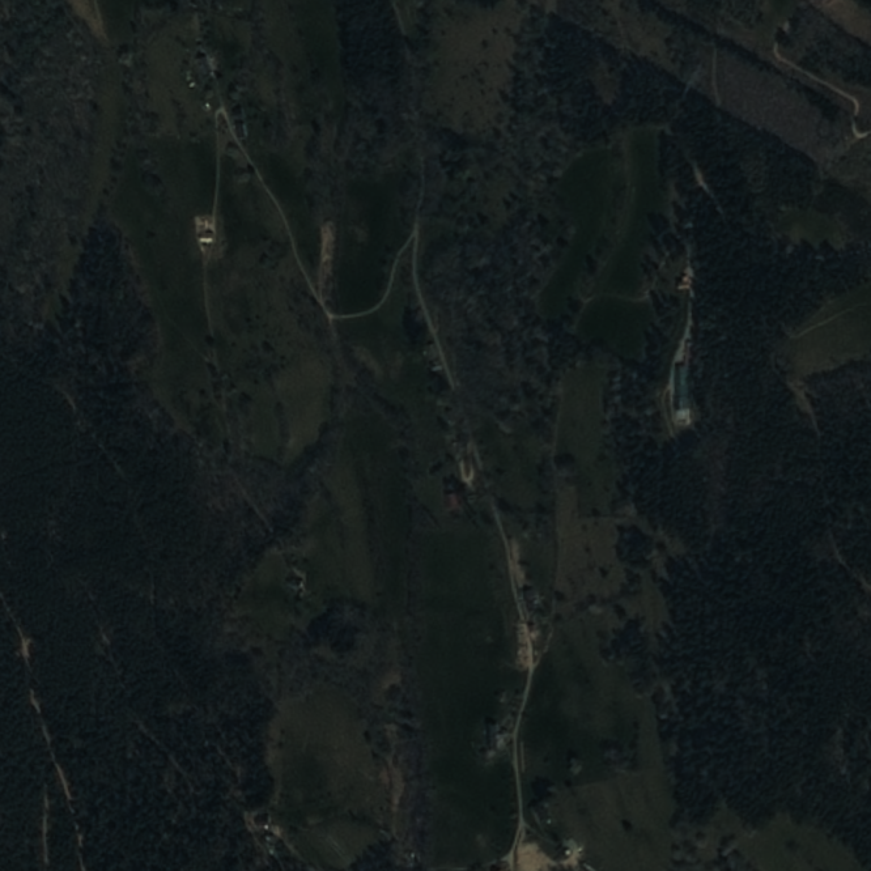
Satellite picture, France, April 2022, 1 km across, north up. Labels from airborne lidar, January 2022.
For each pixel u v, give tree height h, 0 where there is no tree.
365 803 0
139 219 0
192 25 0
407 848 0
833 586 22
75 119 21
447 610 0
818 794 26
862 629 20
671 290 0
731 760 20
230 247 0
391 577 0
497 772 0
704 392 19
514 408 13
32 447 15
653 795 0
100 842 36
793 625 31
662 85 21
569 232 12
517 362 14
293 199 0
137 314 31
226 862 7
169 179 0
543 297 0
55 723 23
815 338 0
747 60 14
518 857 0
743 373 17
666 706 12
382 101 27
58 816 10
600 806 0
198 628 17
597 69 21
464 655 0
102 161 0
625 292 0
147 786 11
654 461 20
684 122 9
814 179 21
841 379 15
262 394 0
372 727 13
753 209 20
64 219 21
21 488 16
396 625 0
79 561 17
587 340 0
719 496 22
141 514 16
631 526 0
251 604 0
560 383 11
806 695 20
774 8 0
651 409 12
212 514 21
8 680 23
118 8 0
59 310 0
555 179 17
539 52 12
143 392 28
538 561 0
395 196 0
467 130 0
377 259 0
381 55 27
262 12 14
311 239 0
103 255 32
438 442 0
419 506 15
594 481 0
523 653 0
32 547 12
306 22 0
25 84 9
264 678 13
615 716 0
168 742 14
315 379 0
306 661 23
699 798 23
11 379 13
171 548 17
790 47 17
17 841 16
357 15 25
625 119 18
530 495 0
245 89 9
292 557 6
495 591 0
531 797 0
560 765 0
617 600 10
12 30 15
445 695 0
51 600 16
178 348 0
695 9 6
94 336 23
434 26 19
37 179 19
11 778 22
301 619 15
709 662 20
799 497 19
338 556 0
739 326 22
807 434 18
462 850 0
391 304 0
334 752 0
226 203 0
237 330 0
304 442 0
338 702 0
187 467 20
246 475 24
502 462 0
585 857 0
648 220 0
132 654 21
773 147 15
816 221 0
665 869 0
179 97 0
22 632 9
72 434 17
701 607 21
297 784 0
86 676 22
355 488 0
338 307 11
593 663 0
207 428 0
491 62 0
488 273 9
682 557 0
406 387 0
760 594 22
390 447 0
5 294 12
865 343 0
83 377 14
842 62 17
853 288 16
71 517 18
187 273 0
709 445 24
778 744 15
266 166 0
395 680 0
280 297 0
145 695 22
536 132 7
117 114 0
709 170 23
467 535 0
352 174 15
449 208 15
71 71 15
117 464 15
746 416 24
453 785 0
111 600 18
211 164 0
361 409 13
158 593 16
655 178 0
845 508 10
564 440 0
